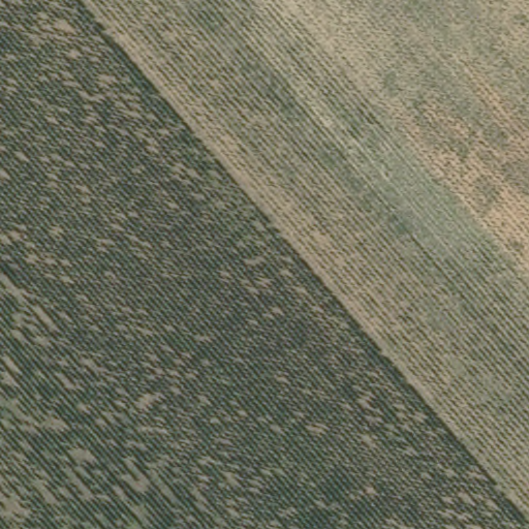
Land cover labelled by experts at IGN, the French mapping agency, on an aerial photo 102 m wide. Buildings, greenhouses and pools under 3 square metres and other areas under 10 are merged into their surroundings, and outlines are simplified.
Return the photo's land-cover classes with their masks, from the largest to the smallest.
<instances>
[{"label":"vineyard","instance_id":"1","mask_svg":"<svg viewBox=\"0 0 529 529\"><path fill-rule=\"evenodd\" d=\"M0 529H529V0H0Z\"/></svg>","mask_w":529,"mask_h":529}]
</instances>
